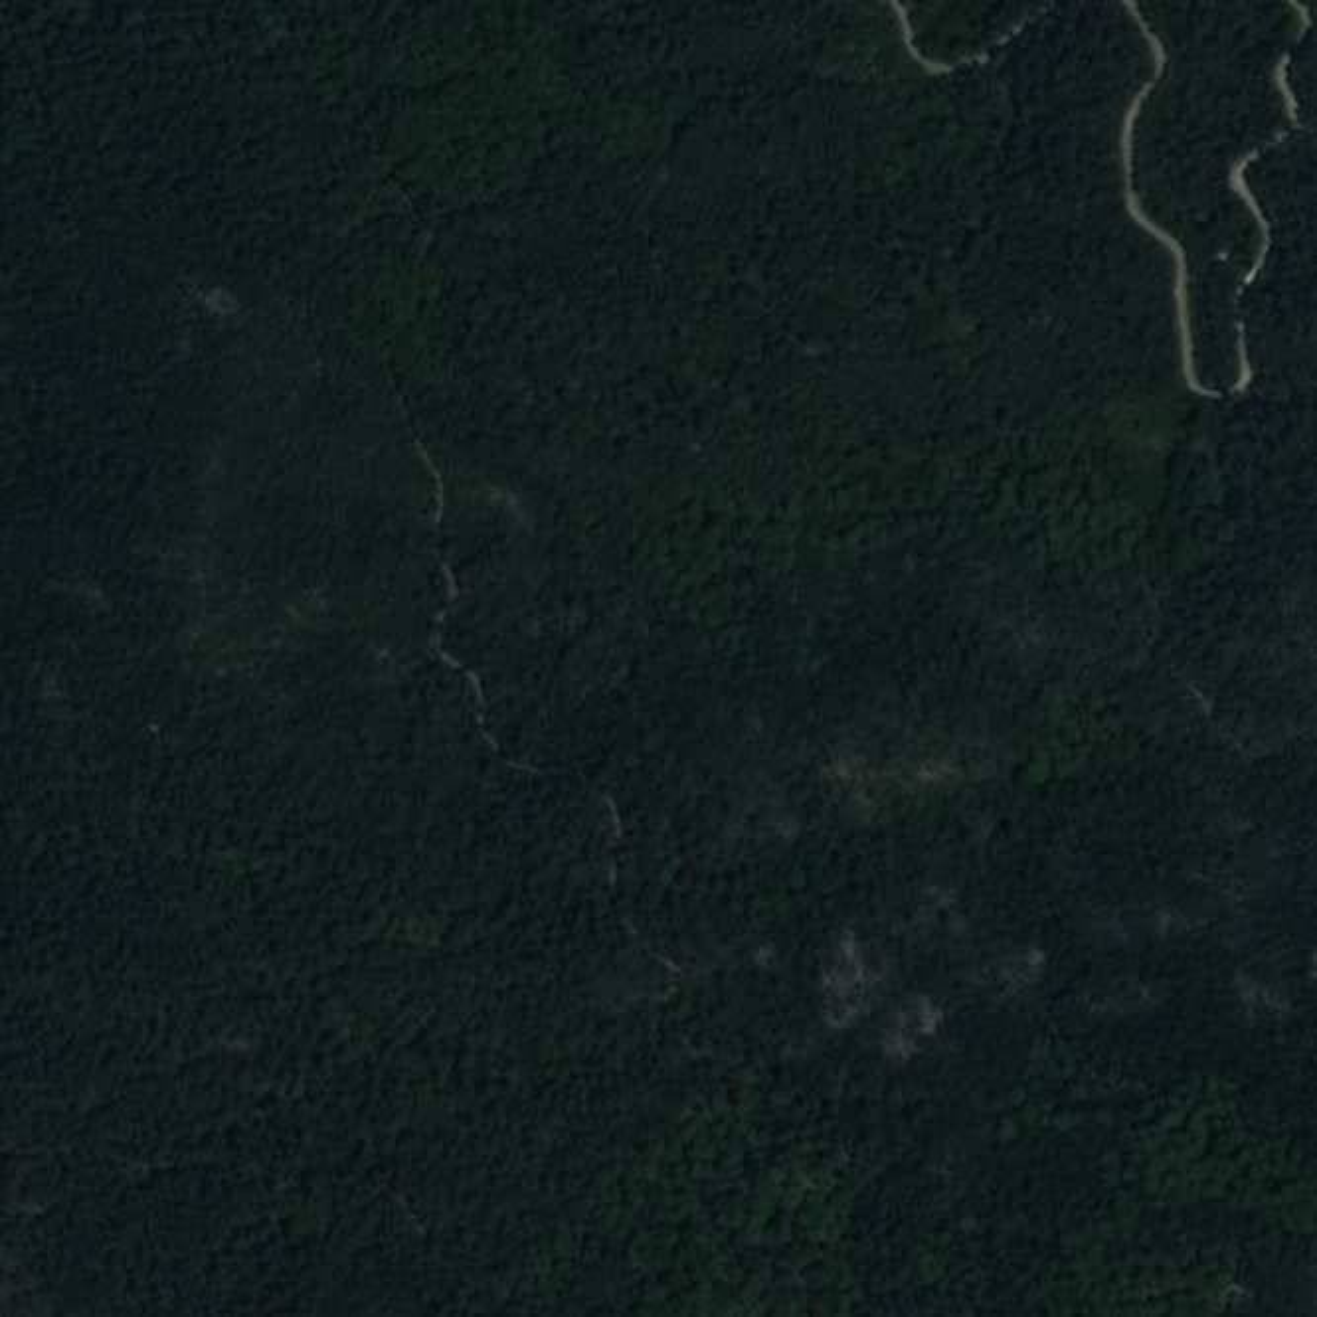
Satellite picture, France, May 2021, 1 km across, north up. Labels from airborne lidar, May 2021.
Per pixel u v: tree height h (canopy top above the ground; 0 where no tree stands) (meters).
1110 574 19
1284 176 14
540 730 17
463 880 13
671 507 9
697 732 11
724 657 12
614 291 15
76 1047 15
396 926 16
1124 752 14
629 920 21
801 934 8
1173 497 14
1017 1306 25
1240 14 22
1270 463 6
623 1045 19
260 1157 24
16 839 16
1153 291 6
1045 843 12
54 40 21
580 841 22
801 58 13
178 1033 18
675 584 14
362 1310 16
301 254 17
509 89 22
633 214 11
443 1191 17
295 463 13
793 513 20
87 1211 22
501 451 14
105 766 15
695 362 14
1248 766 12
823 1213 21
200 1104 27
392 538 10
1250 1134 17
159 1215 17
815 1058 8
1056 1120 14
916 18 12
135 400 18
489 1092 27
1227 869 7
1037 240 11
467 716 7
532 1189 18
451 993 24
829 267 12
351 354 15
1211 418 17
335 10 20
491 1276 11
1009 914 7
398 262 17
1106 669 10
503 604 8
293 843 26
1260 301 16
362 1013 16
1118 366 13
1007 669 10
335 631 11
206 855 17
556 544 10
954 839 8
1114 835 6
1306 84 8
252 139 9
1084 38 16
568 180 20
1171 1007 7
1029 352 15
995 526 18
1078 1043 18
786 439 9
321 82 12
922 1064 11
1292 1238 18
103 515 9
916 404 6
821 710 12
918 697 21
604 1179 19
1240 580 12
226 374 7
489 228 20
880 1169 18
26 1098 14
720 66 9
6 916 14
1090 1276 20
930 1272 13
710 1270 19
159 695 7
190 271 8
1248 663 9
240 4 18
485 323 10
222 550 7
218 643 11
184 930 20
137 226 13
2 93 10
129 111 6
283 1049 21
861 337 12
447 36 17
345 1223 26
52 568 7
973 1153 12
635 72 10
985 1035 13
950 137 13
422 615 7
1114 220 12
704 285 10
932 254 16
